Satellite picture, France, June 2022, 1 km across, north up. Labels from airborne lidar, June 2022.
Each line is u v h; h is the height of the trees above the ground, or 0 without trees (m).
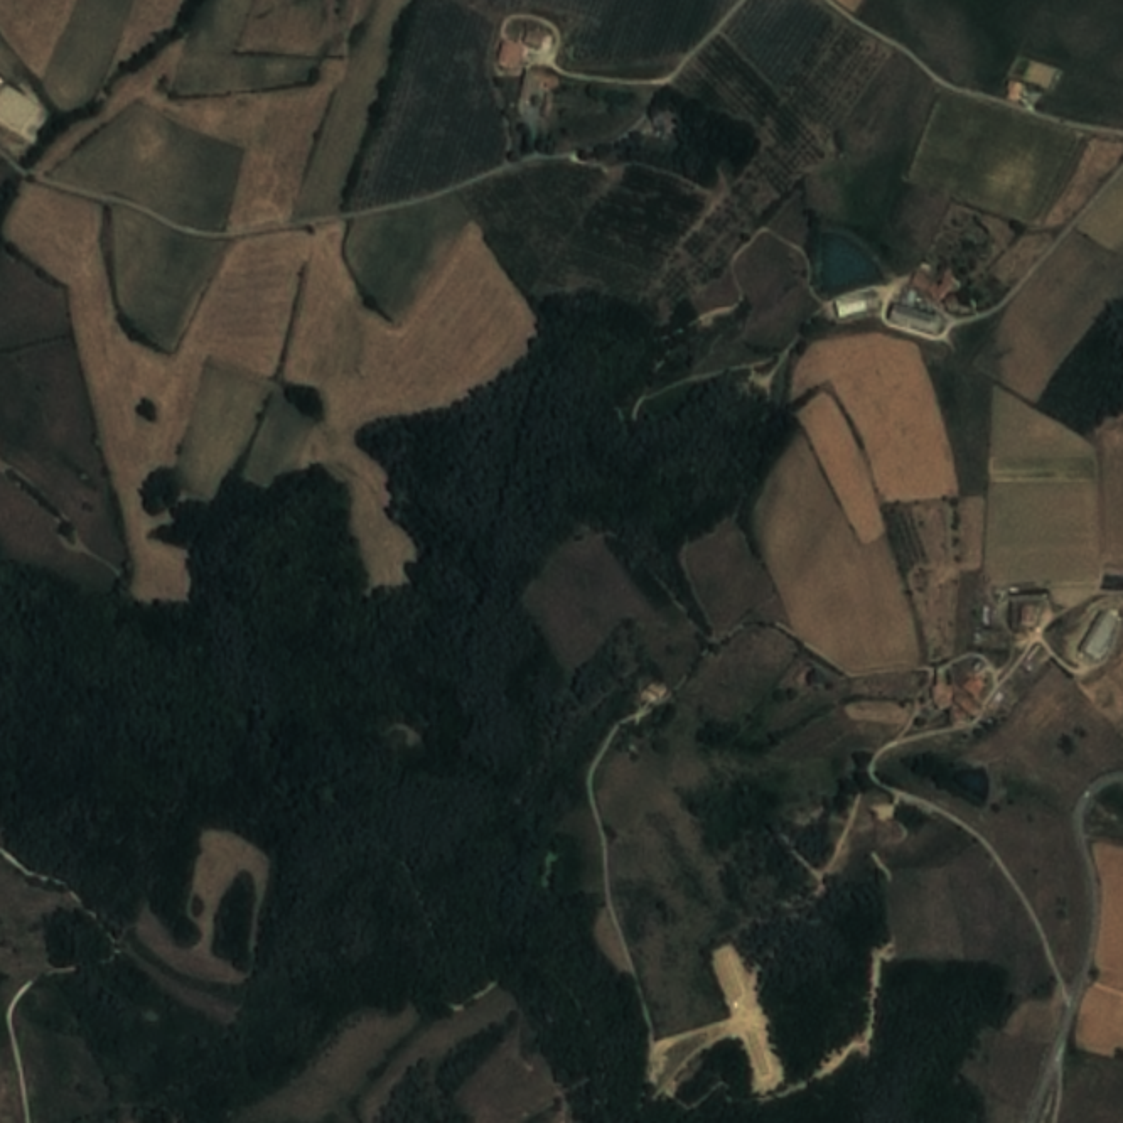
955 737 0
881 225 0
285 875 11
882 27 0
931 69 0
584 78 0
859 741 0
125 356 0
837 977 6
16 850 8
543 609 0
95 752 13
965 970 6
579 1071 7
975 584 0
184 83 0
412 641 13
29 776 9
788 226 0
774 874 9
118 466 0
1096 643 0
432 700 11
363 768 14
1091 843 0
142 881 10
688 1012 0
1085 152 0
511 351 0
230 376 0
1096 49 0
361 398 0
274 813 16
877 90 0
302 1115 0
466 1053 10
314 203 0
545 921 16
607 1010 9
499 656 20
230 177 0
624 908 0
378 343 0
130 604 15
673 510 8
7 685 16
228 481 11
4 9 0
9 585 7
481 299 0
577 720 9
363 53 0
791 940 14
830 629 0
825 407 0
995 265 0
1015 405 0
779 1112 6
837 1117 5
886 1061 9
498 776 10
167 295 0
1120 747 0
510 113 9
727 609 0
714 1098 7
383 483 0
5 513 0
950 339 0
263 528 18
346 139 0
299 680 15
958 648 0
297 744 16
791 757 0
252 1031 7
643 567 12
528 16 0
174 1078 6
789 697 13
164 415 0
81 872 12
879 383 0
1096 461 0
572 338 11
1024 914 0
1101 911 0
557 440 17
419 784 14
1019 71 0
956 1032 11
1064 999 0
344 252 0
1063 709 0
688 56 0
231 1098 8
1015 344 0
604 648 6
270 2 0
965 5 0
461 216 0
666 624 0
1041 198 0
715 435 13
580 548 0
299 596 14
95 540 0
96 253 0
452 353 0
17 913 0
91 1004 6
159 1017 0
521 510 16
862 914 10
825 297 0
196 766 18
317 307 0
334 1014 7
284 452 0
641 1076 12
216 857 0
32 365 0
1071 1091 0
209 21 0
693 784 0
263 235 0
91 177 0
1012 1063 0
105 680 19
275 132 0
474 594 18
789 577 0
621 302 10
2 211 15
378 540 0
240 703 19
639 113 0
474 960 12
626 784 0
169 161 0
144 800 7
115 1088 7
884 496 0
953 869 0
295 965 8
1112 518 0
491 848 16
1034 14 0
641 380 9
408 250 0
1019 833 0
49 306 0
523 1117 0
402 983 7
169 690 22
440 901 15
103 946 12
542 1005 8
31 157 13
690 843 0
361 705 13
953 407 0
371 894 11
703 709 7
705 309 0
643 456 10
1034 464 0
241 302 0
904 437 0
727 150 10
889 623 0
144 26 0
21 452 0
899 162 0
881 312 0
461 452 18
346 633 16
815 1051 7
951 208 0
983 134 0
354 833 19
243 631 20
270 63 0
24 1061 0
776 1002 9
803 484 0
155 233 0
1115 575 0
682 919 0
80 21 0
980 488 0
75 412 0
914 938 0
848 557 0
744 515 9
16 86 0
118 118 0
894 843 0
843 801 14
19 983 0
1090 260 0
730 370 7
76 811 12
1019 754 0
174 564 0
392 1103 6
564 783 9
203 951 0
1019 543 0
